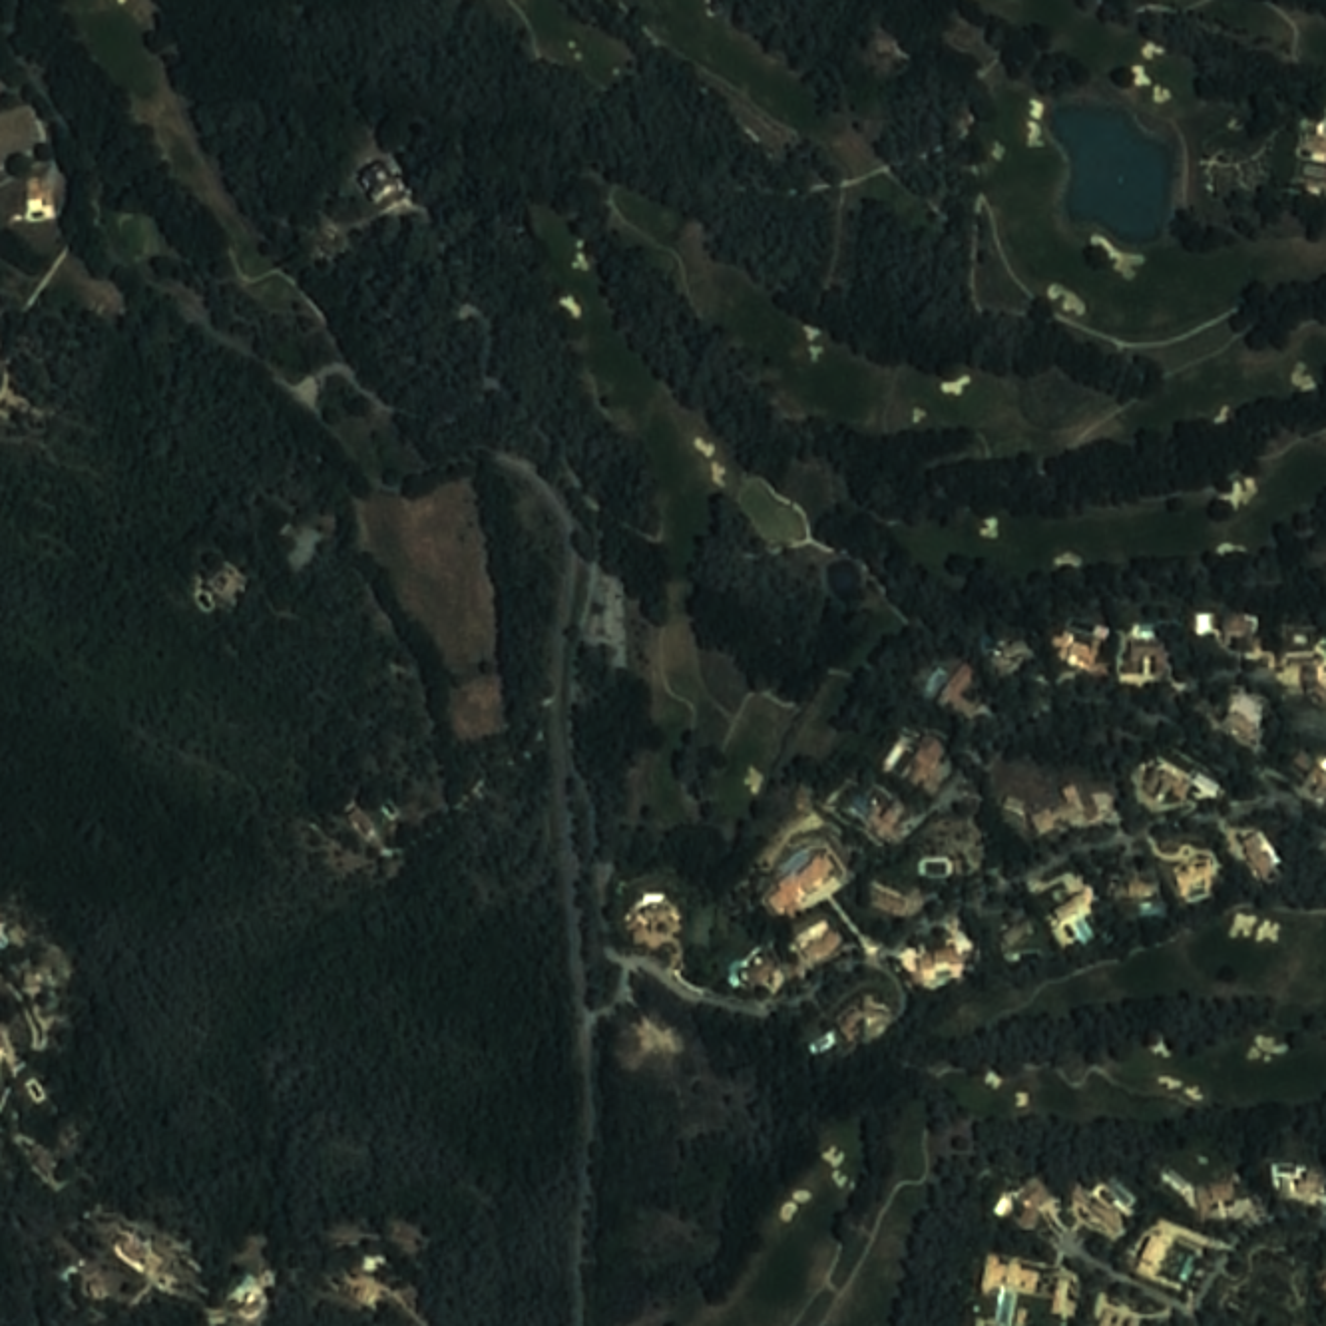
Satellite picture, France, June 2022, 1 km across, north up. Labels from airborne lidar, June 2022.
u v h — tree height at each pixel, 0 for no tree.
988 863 5
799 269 7
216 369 20
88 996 16
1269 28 0
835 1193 0
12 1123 12
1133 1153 21
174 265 8
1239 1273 17
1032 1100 0
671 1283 8
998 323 16
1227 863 8
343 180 18
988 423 0
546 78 20
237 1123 10
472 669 0
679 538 0
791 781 11
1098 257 14
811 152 16
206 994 11
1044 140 0
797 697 15
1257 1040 0
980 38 0
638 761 17
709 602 17
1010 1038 22
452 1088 12
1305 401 15
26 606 17
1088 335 0
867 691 18
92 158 15
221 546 12
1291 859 20
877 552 12
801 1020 6
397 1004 13
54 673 10
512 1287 16
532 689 18
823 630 16
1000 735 16
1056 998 0
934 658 17
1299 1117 13
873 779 15
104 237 14
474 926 8
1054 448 0
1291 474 0
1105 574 13
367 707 11
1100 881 17
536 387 19
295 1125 12
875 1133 14
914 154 16
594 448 22
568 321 19
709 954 13
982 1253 19
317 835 7
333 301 16
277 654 20
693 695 0
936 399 0
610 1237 18
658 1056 0
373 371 15
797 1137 7
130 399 12
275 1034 6
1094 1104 0
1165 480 12
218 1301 10
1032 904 16
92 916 11
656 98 18
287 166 18
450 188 17
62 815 8
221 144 13
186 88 16
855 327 13
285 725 16
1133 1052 9
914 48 9
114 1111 14
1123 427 0
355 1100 8
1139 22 15
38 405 14
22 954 8
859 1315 0
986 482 17
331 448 18
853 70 19
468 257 23
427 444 20
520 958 8
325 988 9
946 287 15
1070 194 0
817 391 0
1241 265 0
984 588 14
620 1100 12
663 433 0
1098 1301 17
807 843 0
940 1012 19
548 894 16
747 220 16
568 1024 11
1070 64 10
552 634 11
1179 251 0
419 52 18
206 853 9
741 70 0
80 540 7
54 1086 18
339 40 18
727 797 0
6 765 14
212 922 15
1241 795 14
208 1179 15
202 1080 6
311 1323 16
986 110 16
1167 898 10
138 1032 17
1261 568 19
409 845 13
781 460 13
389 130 19
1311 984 0
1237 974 11
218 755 8
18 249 21
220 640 11
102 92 15
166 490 13
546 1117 16
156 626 9
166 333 23
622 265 18
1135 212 0
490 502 13
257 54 15
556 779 18
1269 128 13
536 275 19
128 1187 9
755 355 10
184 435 22
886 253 14
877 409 0
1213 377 0
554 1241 18
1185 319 0
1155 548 0
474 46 21
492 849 7
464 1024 14
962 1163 13
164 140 0
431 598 0
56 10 13
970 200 12
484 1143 10
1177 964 0
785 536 0
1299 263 0
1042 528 0
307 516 17
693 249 0
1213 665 11
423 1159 16
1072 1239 0
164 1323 12
